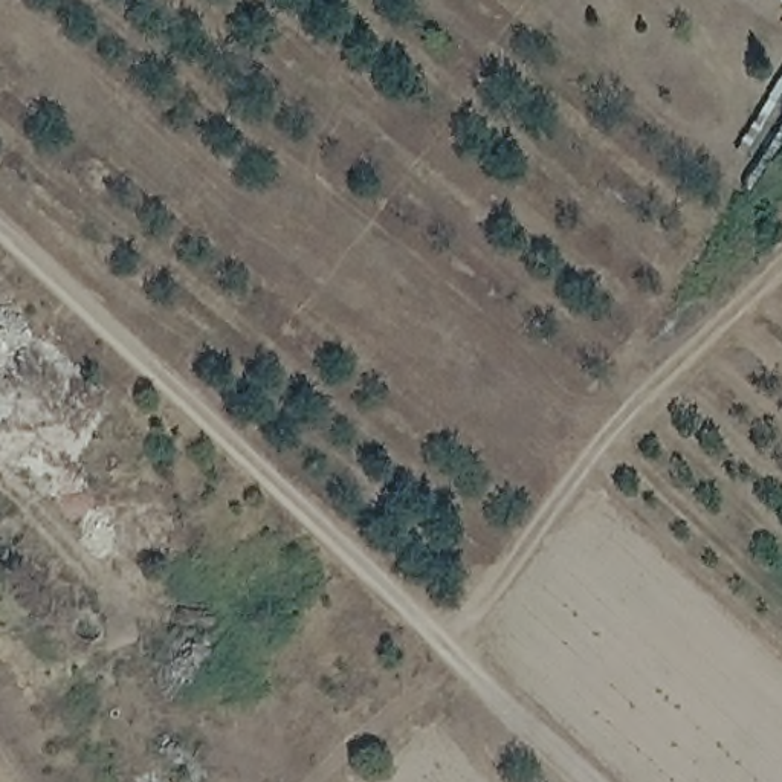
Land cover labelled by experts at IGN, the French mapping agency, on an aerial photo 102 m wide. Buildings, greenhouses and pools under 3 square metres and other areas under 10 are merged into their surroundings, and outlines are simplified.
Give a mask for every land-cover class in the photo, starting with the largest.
<instances>
[{"label":"herbaceous vegetation","instance_id":"1","mask_svg":"<svg viewBox=\"0 0 782 782\"><path fill-rule=\"evenodd\" d=\"M269 18H275L278 24V37L272 43V52H257V61L263 64L266 76H275L281 82L278 89L284 92L287 104H293L296 98L309 101L312 122L302 141H290V134L278 131L272 122L244 119L241 110H235L226 119L232 128L241 131V137H247L254 147L269 150L278 162L275 180L263 189H254L235 183L232 159L214 153L199 131H174L150 107V98L128 82L122 70L104 64L92 46L73 43L52 12L31 9L24 0H0V211L24 235H31L61 269H67L86 290H92L104 302V309L122 327H128L153 354H159L174 373H180L183 379H189L192 373L196 354L214 348L229 354L232 376L241 379L247 357H254L263 345L278 357L284 373L302 376L312 385V391L327 397V406L318 412V422L312 428L305 425L290 449L272 452L257 425H238L244 440L263 449L266 458H272L287 480H293L309 495L327 501V483L336 473H345L367 501L360 516L351 522L357 532L382 519L403 486L418 495H428V489H446L452 477L443 473L437 464L425 461L422 446L434 449L437 443H446L455 434V440L461 446H470L489 470V483L480 486L473 498H452L461 519V568L467 574L480 565L498 562V556L507 550L513 538V528L492 525L486 519L483 507L489 495H495L504 486L525 489L532 507L544 501L553 483L562 477V470L587 446V440L623 403L629 388H635L651 370H657L669 357V351L721 302L715 296H700L672 302V290L681 281V272L690 269V263L700 257L703 241L715 229V223L727 214L733 189H739V183L755 186V180H764L767 165L782 159V0H345L351 12H357L367 21L376 40L400 43L409 61L422 67L425 86L412 98L391 101L376 89L367 70H351L342 61V46L312 37L302 27L299 15L278 9L275 0H260ZM513 24L550 34L559 52L556 64H528L522 52L510 46ZM498 64L516 67V73L525 82L541 86L547 98L556 104L559 125L550 137H532L513 113H498L483 101V95L495 86ZM605 70H614L632 92V110L638 116H645L663 131L684 137L690 150H706L718 162L721 183L712 205H703L690 192H681L675 180L660 174V168L641 165V159L629 156L596 122H590V116L583 113L587 92L577 86V73L602 76ZM40 98L61 104L67 125L73 131L67 144L52 147L46 153L37 150L21 128L24 116L37 107ZM470 113L486 119L489 128L504 131L516 141V147L525 156V174L519 180L486 177L473 156L455 153V137L449 125L452 119H470ZM354 162L376 165L379 196L364 199L348 189V168ZM116 174H125L147 196L162 199V205L174 217L162 235H147L137 214L122 211L116 205V199L104 186V180ZM498 202L510 205L516 223L525 232L550 238L571 269L596 275V284L605 293H611V309L605 318L590 321L587 315L571 312L556 296V284L535 278L522 266L516 250H501L489 244L486 217ZM434 220H446L455 226L449 250H431L428 226ZM180 232L205 235L208 247L220 250L226 260H238L247 269L244 290L223 293L196 266L177 260L174 244ZM122 238L131 241L137 250V266L131 275H116L110 269V254ZM159 269H168L174 278L171 305L153 302L144 293V281H150ZM535 305L556 312V333L547 339L528 336L525 315ZM324 342H339L345 351L354 354V370L348 373V379L327 382L321 376L315 354ZM596 342L605 345L614 360V367L602 379H593L590 370H583L577 360V348ZM364 373H376L388 385L385 400L370 397L367 406H357L351 400V391L357 388ZM336 415H345L357 431L345 449L330 440V425ZM382 455L400 464L385 486H379L364 470L367 458ZM110 34L125 40L128 49L153 55L165 52V40L141 34L125 18V6L116 0H82ZM162 9H192L208 40L226 37V15L235 12V6L244 0H156ZM177 82L199 95V104L208 113H220L226 107V89L217 79H208L196 61H183L174 70ZM12 290V302L6 305H18L24 312L27 330L34 336L55 342L70 357V364L79 367L67 388L58 382V370L40 354V348L24 345L12 351V360L0 373V434L46 431L58 425H67L76 434L95 409L104 415L79 458L61 452V467L86 480L79 492L43 495L27 467H0V745L9 748L12 761L18 764L27 782H98L92 773L79 776L73 751L52 755L43 748L46 739L64 736L61 718L43 724L31 712V706L43 700L49 687H70L76 681H92L101 687L98 718L92 721V742L119 739L116 773L122 776V782H348L354 776L348 764L351 739L367 733L379 736L385 739L391 758L412 745V727H428L437 721L446 724L449 739L467 755L473 770L489 776V782H504L498 773V758L507 745H519L516 736L501 724V718L489 712V706L467 687V681L458 678L431 651V645L415 629H409L406 623H391V608L379 596H373L342 562H321L330 605L305 608L290 641L272 651V660L266 666L269 696H263L254 706H238L241 712L235 718H214L205 706L192 709L189 700H180V706L174 709V730H199L205 739V748L196 755L177 745H153L150 736L156 730L150 727V700L137 690L134 675H113V669L92 663L95 654L122 651L134 645V617L153 623L171 620L174 602L165 593V583L144 577L141 571L144 565L162 562V553L199 547V541H208L211 547H232L235 541L250 538L254 532L266 538L263 544L272 553H296L302 544L315 541L275 498H269L223 452H217V492L208 504L199 495L202 473L189 452L202 449L211 440L153 388L150 379L137 376L98 333H92L6 247H0V293ZM159 425H165V437L174 440V467L162 477L153 470L144 446L150 428ZM92 507L110 510L113 553L107 559L82 547V516ZM672 400L681 406H696L700 415L712 418L721 431L724 446L709 455L696 443V437H687L672 425L669 409L651 422L648 434H641L638 443L629 440L620 449L623 464L614 467L617 492L611 495V504L620 513L623 519H632V532H638L651 547H657V553L666 562H672L687 580H693L706 596H712L724 614H730L761 645H767L776 654V660H782V568H770L764 559H755L748 553V544L755 532H770L782 550V522L755 495L751 486L761 477H770L782 486V284L767 299H761L755 315L742 318L712 351H706L693 364V370L684 379L672 385ZM758 415H770L776 425V437L761 449L748 440V431L755 428ZM669 452H681L700 480H715L721 492L718 510L709 513L690 489H681L669 480Z\"/></svg>","mask_w":782,"mask_h":782},{"label":"deciduous trees","instance_id":"2","mask_svg":"<svg viewBox=\"0 0 782 782\"><path fill-rule=\"evenodd\" d=\"M31 9L52 12L73 43L92 46L104 64L122 70L128 82L150 98V107L174 131H199L214 153L232 159L235 183L254 189H263L275 180L278 162L269 150L254 147L247 137H241V131L232 128L226 119L235 110H241L244 119L272 122L278 131L290 134V141H302L312 122L309 101L296 98L293 104H287L284 92L278 89L281 82L275 76H266L263 64L257 61V52H272V43L278 37V24L275 18H269L260 0H244L235 6V12L226 15V37L208 40L192 9H162L156 0H116L125 6V18L141 34L165 40V52L153 55L128 49L125 40L110 34L82 0H24ZM183 61H196L208 79H217L226 89V107L220 113H208L199 104V95L177 82L174 70ZM278 9L299 15L302 27L312 37L342 46V61L351 70H367L376 89L391 101L412 98L425 86L422 67L409 61L400 43L376 40L367 21L357 12H351L345 0H275ZM510 46L522 52L528 64H556L559 52L550 34L513 24ZM483 101L498 113H513L532 137H550L559 125L556 104L547 98L541 86L525 82L516 73V67L498 64L495 86L483 95ZM577 86L587 92L583 113L590 116V122H596L629 156L641 159V165L660 168V174L675 180L681 192H690L703 205H712L721 183L718 162L706 150H690L684 137L663 131L645 116H638L632 110V92L614 70H605L602 76L577 73ZM21 128L37 150L46 153L52 147L67 144L73 131L67 125L61 104L40 98L37 107L24 116ZM455 137V153L473 156L486 177L519 180L525 174V156L516 147V141L504 131L489 128L486 119L470 113V119H452L449 125ZM348 189L364 199L379 196L376 165L354 162L348 168ZM104 186L116 199V205L122 211L137 214L147 235H162L174 217L162 205V199L147 196L125 174H116L104 180ZM489 244L501 250H516L522 266L535 278L556 284V296L571 312L587 315L590 321L605 318L611 309V293H605L596 284V275L571 269L550 238L525 232L516 223L510 205L498 202L486 217ZM431 250H449L455 226L446 220H434L428 226ZM177 260L196 266L223 293L244 290L247 269L238 260H226L220 250L208 247L205 235L180 232L174 244ZM137 266V250L131 241L122 238L110 254V269L116 275H131ZM144 293L153 302L171 305L174 278L168 269H159L150 281H144ZM528 336L547 339L556 333V312L535 305L525 315ZM321 376L327 382L348 379V373L354 370V354L345 351L339 342H324L315 354ZM577 360L583 370H590L593 379H602L614 367V360L605 345L596 342L577 348ZM192 373L202 385L220 394L226 418L238 425H257L272 452L290 449L305 425L312 428L318 422V412L327 406V397L312 391V385L302 376L284 373L278 357L263 345L254 357H247L241 379L232 376L229 354L214 348L196 354ZM388 385L376 373H364L357 388L351 391V400L357 406H367L370 397L385 400ZM672 425L687 437H696V443L709 455L724 446L721 431L712 418L700 415L696 406H681L672 400L669 409ZM357 431L345 415H336L330 425V440L345 449ZM776 437V425L770 415H758L755 428L748 431V440L761 449ZM144 446L153 470L162 477L174 467V440L165 437V425H159L150 428ZM425 461L437 464L443 473L452 477L446 489H428V495H418L403 486L382 519L357 532L370 550L385 556L397 577H403L406 583H418L428 593V599L440 608H458L467 574L461 568V519L452 498H473L480 486L489 483V470L470 446H461L455 440V434L446 443H437L434 449L422 446ZM202 473L199 495L208 504L217 492V452L211 440L202 449L189 452ZM669 480L681 489H690L709 513L718 510L721 492L715 480H700L681 452H669ZM400 464L382 455L367 458L364 470L379 486H385ZM327 507L339 519L351 522L360 516L367 501L345 473H336L327 483ZM755 495L782 522V486L770 477H761L751 486ZM486 519L492 525L513 528L525 522L532 507L525 489L504 486L495 495H489L483 507ZM748 553L755 559H764L770 568H782V550L770 532H755L748 544ZM348 764L354 776L348 782H379L391 776V758L385 739L379 736L367 733L351 739ZM498 773L504 782H547L535 751L519 745H507L498 758Z\"/></svg>","mask_w":782,"mask_h":782},{"label":"agricultural land","instance_id":"3","mask_svg":"<svg viewBox=\"0 0 782 782\"><path fill-rule=\"evenodd\" d=\"M501 617L507 623V632L513 635L507 641L510 657L504 660V666L626 782H782V660H776V654L767 645H761L730 614H724L712 596H706L693 580H687L672 562H666L657 553V547H651L638 532H632V519H623L620 513L617 519H571L556 535V547L547 550L528 568L519 590L504 602ZM391 776L379 782H489V776L473 770L467 755L449 739L446 724L437 721L428 727H412V745L391 758ZM0 782H27L18 764L12 761L9 748L0 745Z\"/></svg>","mask_w":782,"mask_h":782},{"label":"pervious surface","instance_id":"4","mask_svg":"<svg viewBox=\"0 0 782 782\"><path fill-rule=\"evenodd\" d=\"M0 247H6L92 333H98L137 376L150 379L153 388L211 440L217 452H223L269 498H275L315 541L321 562H342L373 596H379L391 608V623H406L409 629H415L431 645V651L458 678L467 681V687L489 706V712L501 718V724L516 736L519 745L535 751L547 782H626L504 666V660L510 657L507 641L513 635L507 632V623L501 617L504 602L519 590L528 568L547 550L556 547V535L571 519H617L620 513L611 504V495L617 492L614 467L623 464L620 449L629 440L638 443L641 434H648L651 422L669 409L672 400V385L684 379L693 370V364L706 351H712L742 318L755 315L761 299H767L782 284V241L770 250L758 272L745 278L739 290L721 302L669 351V357L657 370H651L635 388H629L623 403L587 440V446L562 470V477L553 483L544 501L532 507L525 522L513 528V538L507 550L498 556V562L480 565L467 574L458 608H440L428 599V593L418 583H406L403 577H397L385 556L370 550L357 532L351 522L339 519L327 507V501L309 495L293 480H287L272 458H266L263 449L244 440L238 425L226 418L220 394L202 385L192 373L189 379H183L180 373H174L159 354H153L128 327H122L104 309V302L92 290H86L67 269H61L31 235H24L0 211ZM12 302V290L0 293V373L12 360V351L24 345L40 348V354L58 370V382L67 388L79 367L70 364V357L55 342L34 336L27 330L24 312L18 305H6ZM104 415L95 409L76 434L67 425H58L46 431L0 434V467H27L43 495L79 492L86 480L61 467V452L79 458ZM82 547L107 559L113 553L110 510L92 507L82 516Z\"/></svg>","mask_w":782,"mask_h":782},{"label":"brushwood","instance_id":"5","mask_svg":"<svg viewBox=\"0 0 782 782\"><path fill-rule=\"evenodd\" d=\"M782 241V159L767 165L764 180H755V186L739 183V189H733L727 214L715 223V229L703 241L700 257L690 263V269L681 272V281L672 290V302L700 296H715L721 302L739 290L745 278L758 272L770 250ZM266 538L254 532L250 538L235 541L232 547H211L208 541H199V547L162 553V562L144 565L141 571L144 577L165 583V593L174 602L171 620L153 623L134 617V645L122 651L95 654L92 663L113 669V675H134L137 690L150 700V727L156 730L150 736L153 745H177L196 755L205 748V739L199 730H174V709L180 706V700H189L192 709L205 706L214 718H235L241 712L238 706H254L263 696H269L266 666L272 660V651L290 641L305 608L330 605L321 562L315 541L302 544L296 553H272L263 544ZM101 687L92 681H76L70 687H49L43 700L31 706V712L43 724L61 718L64 736L46 739L43 748L52 755L73 751L79 776L92 773L98 782H122V776L116 773L119 739L92 742V721L98 718Z\"/></svg>","mask_w":782,"mask_h":782}]
</instances>
